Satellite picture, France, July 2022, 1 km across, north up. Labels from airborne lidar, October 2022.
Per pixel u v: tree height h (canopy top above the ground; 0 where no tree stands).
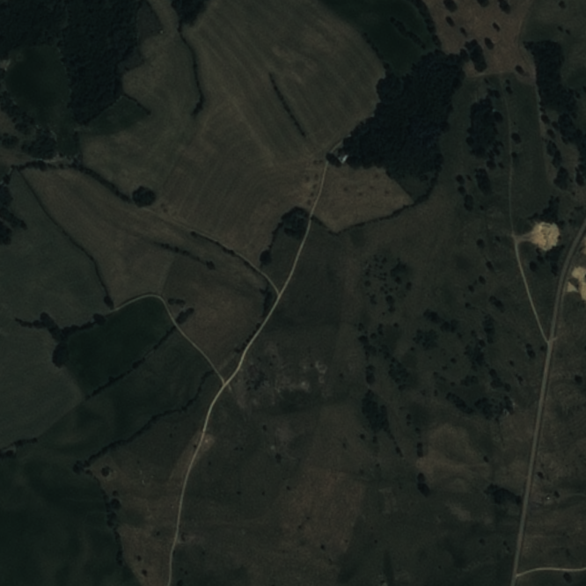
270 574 0
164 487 0
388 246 0
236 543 0
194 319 0
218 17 0
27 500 0
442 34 0
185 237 0
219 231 0
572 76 0
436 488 0
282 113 0
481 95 0
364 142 19
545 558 0
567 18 0
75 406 0
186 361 0
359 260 0
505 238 0
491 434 0
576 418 0
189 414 0
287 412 0
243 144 0
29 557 0
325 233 0
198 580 0
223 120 0
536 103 0
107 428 0
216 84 0
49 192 0
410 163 11
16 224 7
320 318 0
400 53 0
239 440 0
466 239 0
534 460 0
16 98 0
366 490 0
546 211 11
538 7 0
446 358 0
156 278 0
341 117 0
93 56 6
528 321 0
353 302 0
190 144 0
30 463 0
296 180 0
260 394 0
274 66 0
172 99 0
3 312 0
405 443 0
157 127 0
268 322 0
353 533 0
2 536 0
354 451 0
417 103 15
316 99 0
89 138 0
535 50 11
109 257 0
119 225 0
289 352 0
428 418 0
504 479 0
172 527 0
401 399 0
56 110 0
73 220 0
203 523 0
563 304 0
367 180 0
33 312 0
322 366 0
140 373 0
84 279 0
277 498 0
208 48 0
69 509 0
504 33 0
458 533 0
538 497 0
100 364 0
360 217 0
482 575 0
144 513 0
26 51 0
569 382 0
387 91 19
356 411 0
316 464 0
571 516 0
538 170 0
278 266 0
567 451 0
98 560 0
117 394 0
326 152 0
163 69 0
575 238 0
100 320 18
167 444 0
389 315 0
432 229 0
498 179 0
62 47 7
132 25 6
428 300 0
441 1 0
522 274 0
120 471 0
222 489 0
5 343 0
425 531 0
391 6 0
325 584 0
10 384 0
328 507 0
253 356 0
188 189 0
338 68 0
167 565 0
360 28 0
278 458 9
